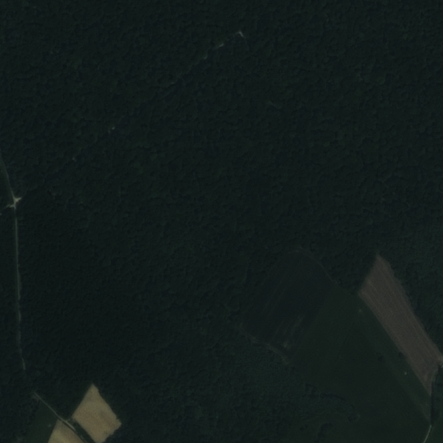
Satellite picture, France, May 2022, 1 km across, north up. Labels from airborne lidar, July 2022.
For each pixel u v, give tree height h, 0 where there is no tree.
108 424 0
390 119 31
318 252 23
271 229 28
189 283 27
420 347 0
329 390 0
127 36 29
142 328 25
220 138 28
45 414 0
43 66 30
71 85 30
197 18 33
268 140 24
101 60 31
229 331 28
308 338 0
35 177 28
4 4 22
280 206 31
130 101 28
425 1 30
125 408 31
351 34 31
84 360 22
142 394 10
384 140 19
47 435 0
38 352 28
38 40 24
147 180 29
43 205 23
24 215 18
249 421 28
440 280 28
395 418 0
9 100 32
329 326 0
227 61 28
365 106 27
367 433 0
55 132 30
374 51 29
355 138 28
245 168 32
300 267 0
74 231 20
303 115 29
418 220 26
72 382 22
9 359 24
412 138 26
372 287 0
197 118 29
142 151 30
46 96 33
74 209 28
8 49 28
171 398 22
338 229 24
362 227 27
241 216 30
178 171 27
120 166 30
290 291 0
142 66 28
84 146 27
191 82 21
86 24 30
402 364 0
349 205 24
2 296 24
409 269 28
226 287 29
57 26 29
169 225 26
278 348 0
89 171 27
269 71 32
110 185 26
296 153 28
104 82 31
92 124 29
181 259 23
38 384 22
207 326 22
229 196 31
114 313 25
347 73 28
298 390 25
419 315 21
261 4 26
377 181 12
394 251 25
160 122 27
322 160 34
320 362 0
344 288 21
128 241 28
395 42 28
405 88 22
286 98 27
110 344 26
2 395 28
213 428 23
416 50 31
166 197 27
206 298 30
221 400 24
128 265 29
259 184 30
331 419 0
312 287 0
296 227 29
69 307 25
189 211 26
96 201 23
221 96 32
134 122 31
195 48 27
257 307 0
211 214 22
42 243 20
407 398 0
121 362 19
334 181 28
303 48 28
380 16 32
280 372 26
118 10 27
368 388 0
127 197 29
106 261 28
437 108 28
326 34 33
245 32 25
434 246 23
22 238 21
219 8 27
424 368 0
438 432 0
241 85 27
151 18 33
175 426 12
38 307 25
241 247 31
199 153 33
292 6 29
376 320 0
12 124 29
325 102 28
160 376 31
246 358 25
